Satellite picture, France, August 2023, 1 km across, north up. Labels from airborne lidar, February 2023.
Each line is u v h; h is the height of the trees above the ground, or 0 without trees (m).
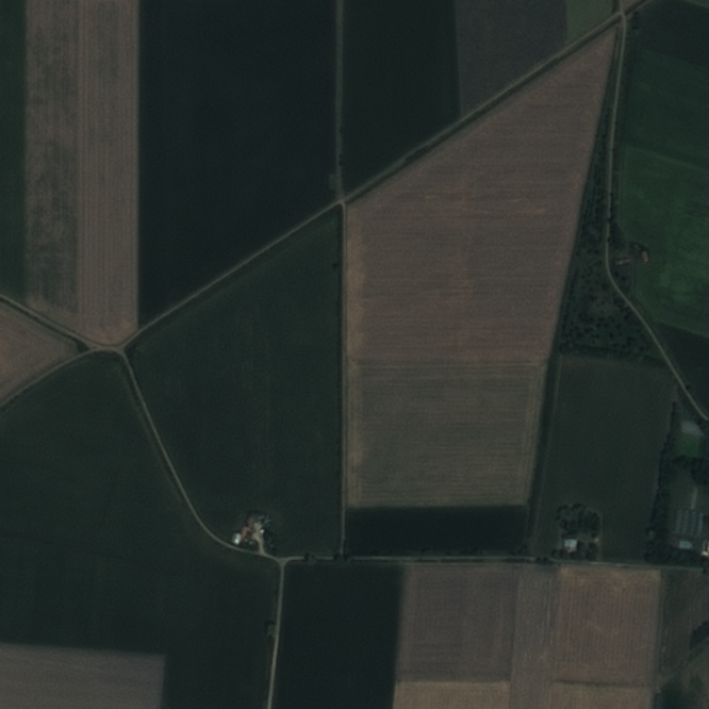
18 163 0
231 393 0
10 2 0
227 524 0
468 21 0
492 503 0
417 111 0
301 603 0
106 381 0
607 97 0
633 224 0
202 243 0
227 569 0
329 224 0
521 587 0
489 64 0
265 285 0
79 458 0
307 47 0
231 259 0
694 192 0
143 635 0
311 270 0
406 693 0
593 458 0
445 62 0
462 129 0
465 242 0
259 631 0
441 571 0
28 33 0
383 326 0
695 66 0
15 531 0
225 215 0
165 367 0
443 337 0
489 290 0
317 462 0
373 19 0
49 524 0
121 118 0
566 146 0
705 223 0
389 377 0
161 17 0
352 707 0
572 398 0
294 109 0
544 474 0
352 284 0
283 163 0
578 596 0
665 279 0
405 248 0
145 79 0
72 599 0
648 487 0
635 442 0
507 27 0
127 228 0
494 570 0
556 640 0
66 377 0
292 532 0
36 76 0
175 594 0
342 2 0
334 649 0
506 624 0
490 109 0
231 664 0
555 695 0
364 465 0
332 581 0
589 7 0
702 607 0
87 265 0
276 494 0
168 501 0
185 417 0
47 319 0
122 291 0
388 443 0
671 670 0
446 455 0
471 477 0
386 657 0
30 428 0
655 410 0
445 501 0
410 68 0
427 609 0
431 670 0
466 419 0
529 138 0
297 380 0
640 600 0
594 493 0
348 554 6
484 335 0
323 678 0
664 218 0
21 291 0
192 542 0
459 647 0
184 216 0
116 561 0
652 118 0
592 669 0
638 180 0
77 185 0
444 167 0
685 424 0
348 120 0
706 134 0
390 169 0
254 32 0
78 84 0
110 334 0
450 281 0
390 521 0
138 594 0
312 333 0
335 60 0
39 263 0
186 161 0
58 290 0
